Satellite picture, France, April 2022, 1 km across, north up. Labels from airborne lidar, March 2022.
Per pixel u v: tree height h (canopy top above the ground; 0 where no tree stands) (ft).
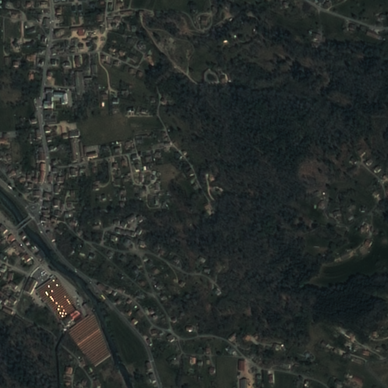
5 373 68
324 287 0
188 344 0
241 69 31
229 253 42
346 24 0
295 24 0
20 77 31
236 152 46
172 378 0
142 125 0
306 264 38
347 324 77
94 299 0
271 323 115
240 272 57
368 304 99
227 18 0
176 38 68
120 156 0
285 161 56
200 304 43
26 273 0
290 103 57
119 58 0
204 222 64
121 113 0
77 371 0
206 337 0
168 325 0
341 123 60
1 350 63
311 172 0
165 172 0
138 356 0
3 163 0
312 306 103
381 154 58
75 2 0
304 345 45
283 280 85
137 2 0
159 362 0
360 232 39
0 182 0
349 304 107
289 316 90
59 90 0
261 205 73
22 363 76
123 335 0
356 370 0
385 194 0
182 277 0
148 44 40
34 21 0
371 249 0
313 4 0
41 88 52
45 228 0
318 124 61
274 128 70
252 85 57
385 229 0
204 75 0
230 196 64
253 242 41
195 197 34
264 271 66
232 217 73
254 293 71
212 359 0
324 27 0
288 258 66
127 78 0
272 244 50
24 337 33
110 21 0
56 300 0
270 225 45
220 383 0
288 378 0
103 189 0
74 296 0
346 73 60
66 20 0
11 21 0
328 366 0
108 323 37
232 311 62
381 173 0
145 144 0
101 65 0
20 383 47
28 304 0
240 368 0
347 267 0
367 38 0
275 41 35
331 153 59
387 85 22
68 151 20
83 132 0
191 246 43
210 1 0
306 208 0
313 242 0
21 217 0
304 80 93
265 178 54
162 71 52
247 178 47
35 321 0
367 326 46
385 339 0
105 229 0
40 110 0
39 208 0
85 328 0
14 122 0
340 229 0
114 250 0
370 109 55
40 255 0
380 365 0
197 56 0
